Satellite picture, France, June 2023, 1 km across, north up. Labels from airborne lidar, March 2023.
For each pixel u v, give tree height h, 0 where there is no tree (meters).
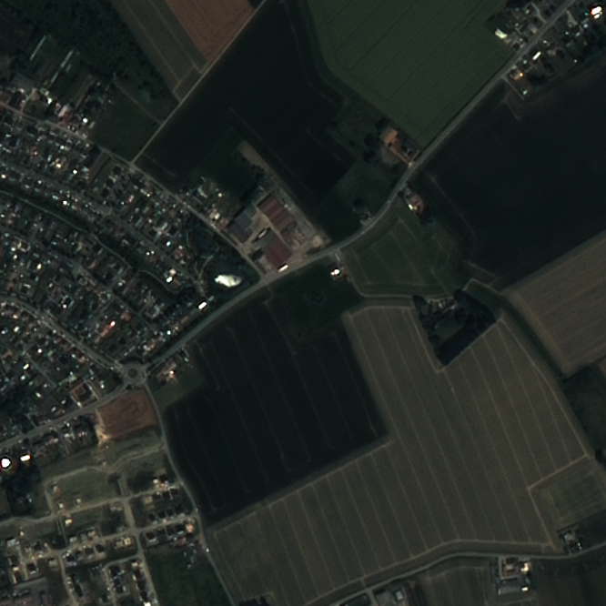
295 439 0
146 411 0
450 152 0
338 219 0
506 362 0
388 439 0
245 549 0
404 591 0
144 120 0
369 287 0
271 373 0
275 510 0
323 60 0
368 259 0
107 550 0
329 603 0
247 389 0
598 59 0
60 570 0
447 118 0
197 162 0
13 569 0
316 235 0
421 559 0
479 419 0
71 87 0
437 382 0
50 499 0
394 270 0
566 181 0
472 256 0
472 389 0
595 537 0
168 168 0
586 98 0
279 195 0
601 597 0
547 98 0
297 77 0
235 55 0
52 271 0
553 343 0
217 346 0
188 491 0
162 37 0
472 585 0
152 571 0
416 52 0
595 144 0
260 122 0
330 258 0
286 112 0
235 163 0
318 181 0
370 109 0
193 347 0
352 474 0
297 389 0
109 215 0
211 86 0
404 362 0
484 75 0
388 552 0
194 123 0
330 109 0
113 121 0
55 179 0
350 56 0
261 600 0
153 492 0
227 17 0
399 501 0
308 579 0
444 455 0
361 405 0
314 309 0
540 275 0
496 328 0
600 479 0
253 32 0
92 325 0
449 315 10
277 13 0
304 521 0
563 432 0
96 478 0
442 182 0
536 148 0
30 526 0
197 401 0
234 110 0
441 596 0
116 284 0
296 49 0
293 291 0
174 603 0
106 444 0
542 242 0
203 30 0
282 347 0
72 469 0
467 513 0
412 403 0
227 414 0
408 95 0
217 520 0
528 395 0
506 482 0
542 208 0
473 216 0
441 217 0
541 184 0
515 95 0
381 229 0
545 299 0
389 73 0
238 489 0
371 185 0
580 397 0
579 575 0
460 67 0
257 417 0
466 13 0
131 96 0
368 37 0
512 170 0
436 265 0
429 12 0
